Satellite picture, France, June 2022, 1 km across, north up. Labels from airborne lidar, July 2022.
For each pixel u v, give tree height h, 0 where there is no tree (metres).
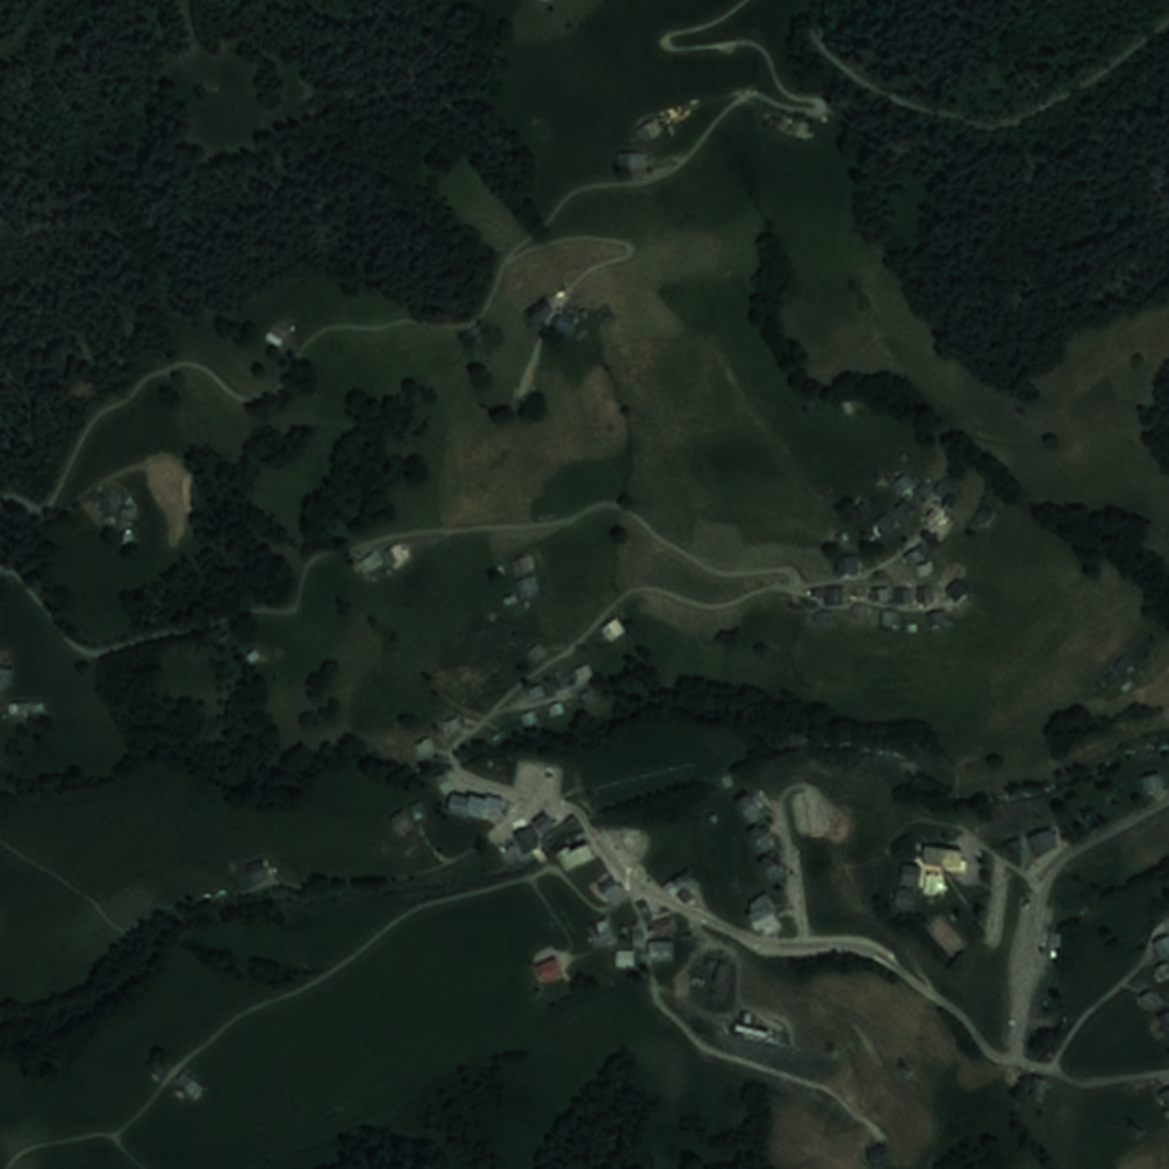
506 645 0
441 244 31
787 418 0
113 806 0
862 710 0
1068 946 13
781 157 0
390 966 0
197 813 0
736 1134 8
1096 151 33
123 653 15
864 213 18
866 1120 0
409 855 0
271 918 9
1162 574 17
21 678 0
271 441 16
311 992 0
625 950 0
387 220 25
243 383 0
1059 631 0
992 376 20
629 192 0
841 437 0
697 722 15
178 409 14
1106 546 22
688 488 0
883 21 23
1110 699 0
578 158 0
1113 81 12
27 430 23
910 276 22
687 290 0
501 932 0
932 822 0
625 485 0
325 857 0
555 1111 0
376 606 0
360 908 0
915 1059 0
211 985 0
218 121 0
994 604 0
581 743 19
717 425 0
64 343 29
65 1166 0
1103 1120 0
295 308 0
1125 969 0
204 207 11
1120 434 0
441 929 0
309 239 29
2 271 7
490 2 0
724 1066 0
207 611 22
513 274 0
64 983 0
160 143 32
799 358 20
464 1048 0
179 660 0
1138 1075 0
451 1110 8
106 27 30
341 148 22
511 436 0
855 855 0
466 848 0
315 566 0
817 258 0
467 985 0
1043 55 12
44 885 0
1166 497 0
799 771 0
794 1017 0
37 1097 0
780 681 0
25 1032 21
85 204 23
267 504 0
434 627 0
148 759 16
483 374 20
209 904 14
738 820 0
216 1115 0
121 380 17
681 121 0
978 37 35
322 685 24
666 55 0
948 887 0
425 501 0
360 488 19
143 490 0
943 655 0
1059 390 0
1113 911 0
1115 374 0
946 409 0
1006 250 22
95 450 0
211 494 23
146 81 13
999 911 0
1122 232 30
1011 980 0
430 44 20
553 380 0
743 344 0
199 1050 0
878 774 0
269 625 0
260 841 0
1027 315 25
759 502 0
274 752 17
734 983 0
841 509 16
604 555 0
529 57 0
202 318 9
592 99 0
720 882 0
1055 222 19
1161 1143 0
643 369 0
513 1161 0
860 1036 0
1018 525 0
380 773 19
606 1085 18
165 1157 0
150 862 0
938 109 11
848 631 0
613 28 0
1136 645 0
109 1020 17
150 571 0
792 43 12
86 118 8
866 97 25
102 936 0
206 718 9
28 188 17
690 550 0
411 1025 0
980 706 0
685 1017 0
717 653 0
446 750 0
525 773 0
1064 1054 0
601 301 0
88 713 0
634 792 0
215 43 18
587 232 0
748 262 0
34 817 0
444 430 0
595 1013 0
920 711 0
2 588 26
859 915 0
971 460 24
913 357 0
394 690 0
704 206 0
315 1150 0
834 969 13
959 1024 9
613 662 0
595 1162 16
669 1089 0
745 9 0
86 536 0
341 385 0
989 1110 0
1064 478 0
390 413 21
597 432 0
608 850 0
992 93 7
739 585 0
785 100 0
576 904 0
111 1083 0
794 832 0
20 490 6
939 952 10
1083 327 14
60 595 12
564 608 0
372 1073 0
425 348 0
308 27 28
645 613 0
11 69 31
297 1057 0
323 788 0
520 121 0
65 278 27
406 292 29
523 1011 0
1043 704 0
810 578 0
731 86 0
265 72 16
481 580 0
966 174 18
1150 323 0
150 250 13
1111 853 0
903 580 0
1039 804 0
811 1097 0
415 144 16
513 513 0
